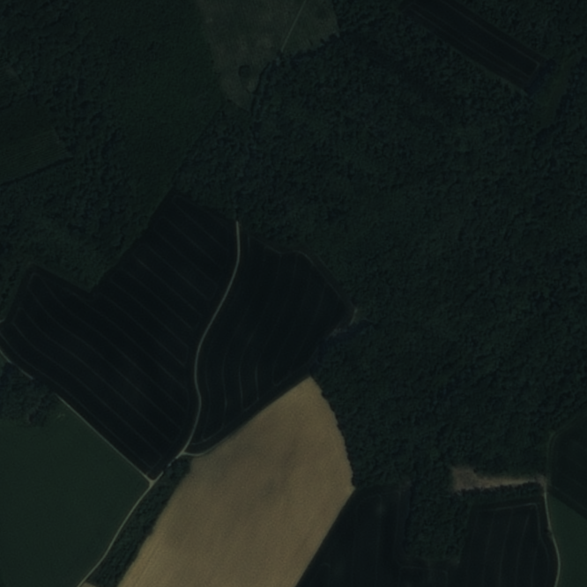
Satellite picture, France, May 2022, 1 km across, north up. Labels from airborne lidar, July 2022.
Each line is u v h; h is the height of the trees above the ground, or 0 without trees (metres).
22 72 24
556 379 18
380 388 24
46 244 19
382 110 30
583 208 26
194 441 0
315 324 0
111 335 0
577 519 0
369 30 16
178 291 0
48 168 14
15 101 10
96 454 0
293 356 0
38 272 0
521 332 24
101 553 0
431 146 28
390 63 21
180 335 0
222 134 9
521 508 0
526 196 27
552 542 0
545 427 29
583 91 29
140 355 0
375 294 16
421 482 29
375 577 0
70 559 0
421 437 25
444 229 27
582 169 27
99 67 26
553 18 28
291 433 0
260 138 23
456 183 27
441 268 22
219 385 0
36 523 0
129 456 0
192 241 0
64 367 0
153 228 0
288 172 16
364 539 0
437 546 21
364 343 29
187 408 0
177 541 0
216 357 0
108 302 0
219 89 11
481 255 24
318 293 0
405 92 28
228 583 0
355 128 24
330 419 0
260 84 8
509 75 0
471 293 25
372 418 24
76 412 0
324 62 26
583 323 27
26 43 28
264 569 0
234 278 0
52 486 0
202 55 13
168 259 0
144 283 0
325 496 0
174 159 17
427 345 23
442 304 29
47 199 10
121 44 22
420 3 0
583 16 21
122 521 0
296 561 0
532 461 28
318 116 21
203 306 0
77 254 19
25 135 12
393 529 0
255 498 0
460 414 28
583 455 0
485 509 0
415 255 23
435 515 21
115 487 0
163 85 14
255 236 0
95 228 26
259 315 0
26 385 32
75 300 0
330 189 25
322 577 0
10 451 0
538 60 0
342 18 11
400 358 26
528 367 27
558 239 26
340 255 15
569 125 29
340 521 0
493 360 29
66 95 26
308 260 0
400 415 22
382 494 0
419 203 23
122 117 13
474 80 28
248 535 0
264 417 0
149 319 0
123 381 0
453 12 0
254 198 25
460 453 28
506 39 0
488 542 0
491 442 25
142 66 14
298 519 0
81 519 0
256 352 0
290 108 25
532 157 25
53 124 13
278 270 0
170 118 14
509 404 26
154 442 0
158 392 0
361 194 28
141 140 16
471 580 0
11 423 20
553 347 28
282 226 27
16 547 0
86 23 24
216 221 0
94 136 25
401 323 22
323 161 23
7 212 19
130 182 30
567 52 11
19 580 0
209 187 29
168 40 13
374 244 21
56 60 22
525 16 29
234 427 0
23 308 0
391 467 25
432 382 21
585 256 27
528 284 27
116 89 14
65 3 24
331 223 29
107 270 13
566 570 0
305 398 0
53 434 0
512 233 30
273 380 0
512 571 0
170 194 0
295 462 0
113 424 0
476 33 0
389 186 15
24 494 0
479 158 20
